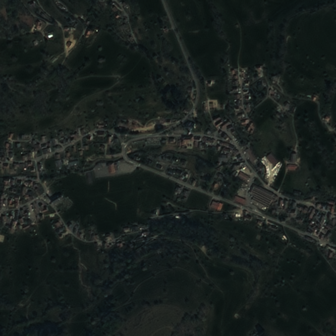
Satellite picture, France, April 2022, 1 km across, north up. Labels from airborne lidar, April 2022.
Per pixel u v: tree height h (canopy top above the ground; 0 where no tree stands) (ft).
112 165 0
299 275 0
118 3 0
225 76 40
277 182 0
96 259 0
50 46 0
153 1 0
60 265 0
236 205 0
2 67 48
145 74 0
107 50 0
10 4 73
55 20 63
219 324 0
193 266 0
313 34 0
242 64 0
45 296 0
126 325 0
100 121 0
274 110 27
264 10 0
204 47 0
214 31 0
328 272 0
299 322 0
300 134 0
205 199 0
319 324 0
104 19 0
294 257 0
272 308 0
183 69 71
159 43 0
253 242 0
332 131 0
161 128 71
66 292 0
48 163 0
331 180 0
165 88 0
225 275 0
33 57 0
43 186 0
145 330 0
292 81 0
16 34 55
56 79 74
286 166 0
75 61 0
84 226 0
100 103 41
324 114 18
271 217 0
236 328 0
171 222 87
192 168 0
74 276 0
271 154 0
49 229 0
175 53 0
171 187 0
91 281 0
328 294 0
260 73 0
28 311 0
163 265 0
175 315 0
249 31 0
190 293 0
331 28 0
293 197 48
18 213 0
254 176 0
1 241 0
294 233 0
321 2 0
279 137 0
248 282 0
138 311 0
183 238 70
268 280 0
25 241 0
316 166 46
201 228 99
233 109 23
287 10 0
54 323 0
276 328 0
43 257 0
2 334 93
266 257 0
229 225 0
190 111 0
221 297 0
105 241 0
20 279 0
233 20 0
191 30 0
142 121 0
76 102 0
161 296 0
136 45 53
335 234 0
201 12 0
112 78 0
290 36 0
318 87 0
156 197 0
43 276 0
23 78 0
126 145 0
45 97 58
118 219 0
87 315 0
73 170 32
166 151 0
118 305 0
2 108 66
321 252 29
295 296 0
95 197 0
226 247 0
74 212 0
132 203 0
